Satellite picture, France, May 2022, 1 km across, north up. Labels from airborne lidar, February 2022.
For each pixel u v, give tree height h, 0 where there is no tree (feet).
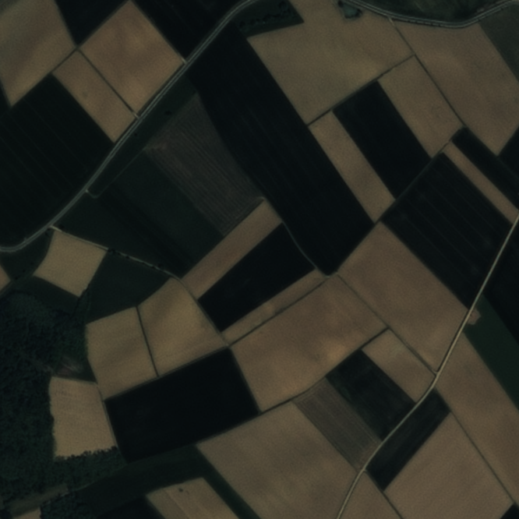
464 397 0
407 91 0
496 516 0
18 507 0
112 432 0
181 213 0
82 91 0
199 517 0
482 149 0
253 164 0
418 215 0
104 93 0
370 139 0
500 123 0
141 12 0
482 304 0
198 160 0
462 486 0
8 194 0
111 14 0
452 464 0
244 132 0
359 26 0
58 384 0
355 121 0
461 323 0
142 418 0
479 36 0
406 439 0
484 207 0
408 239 0
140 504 0
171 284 0
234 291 0
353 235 0
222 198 0
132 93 0
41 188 0
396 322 0
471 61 0
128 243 0
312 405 0
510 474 0
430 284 0
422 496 0
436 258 0
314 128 0
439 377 0
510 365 0
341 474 0
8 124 0
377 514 0
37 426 76
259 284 0
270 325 0
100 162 0
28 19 0
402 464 0
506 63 0
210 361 0
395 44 0
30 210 0
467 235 0
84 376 0
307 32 0
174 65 0
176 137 0
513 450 0
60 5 0
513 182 0
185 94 0
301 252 0
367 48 0
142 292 0
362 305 0
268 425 0
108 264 0
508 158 0
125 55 0
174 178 0
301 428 0
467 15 0
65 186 0
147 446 0
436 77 0
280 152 0
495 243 0
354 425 0
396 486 0
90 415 0
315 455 0
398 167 0
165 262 0
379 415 0
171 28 0
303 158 0
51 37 0
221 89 0
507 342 0
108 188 0
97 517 0
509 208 0
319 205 0
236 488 0
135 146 0
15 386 70
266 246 0
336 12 0
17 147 0
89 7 0
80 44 0
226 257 0
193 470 0
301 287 0
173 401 0
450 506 0
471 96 0
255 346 0
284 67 0
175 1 0
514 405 0
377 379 0
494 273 0
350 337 0
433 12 0
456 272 0
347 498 0
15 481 55
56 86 0
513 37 0
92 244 0
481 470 0
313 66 0
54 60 0
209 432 0
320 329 0
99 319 0
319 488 0
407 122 0
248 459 0
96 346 0
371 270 0
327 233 0
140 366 0
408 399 0
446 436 0
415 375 0
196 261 0
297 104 0
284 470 0
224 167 0
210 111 0
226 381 0
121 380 0
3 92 0
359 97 0
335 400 0
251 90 0
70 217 0
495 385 0
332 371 0
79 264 0
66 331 69
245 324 0
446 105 0
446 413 0
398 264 0
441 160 0
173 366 0
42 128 0
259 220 0
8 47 0
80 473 71
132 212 0
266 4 0
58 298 0
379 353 0
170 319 0
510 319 0
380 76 0
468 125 0
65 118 0
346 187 0
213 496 0
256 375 0
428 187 0
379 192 0
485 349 0
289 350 0
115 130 0
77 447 0
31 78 0
